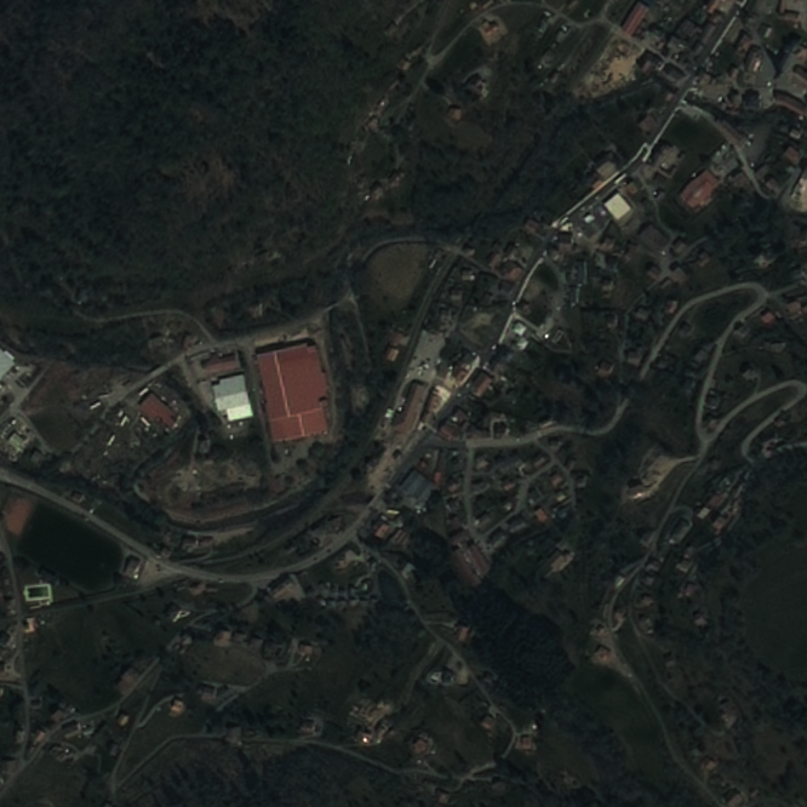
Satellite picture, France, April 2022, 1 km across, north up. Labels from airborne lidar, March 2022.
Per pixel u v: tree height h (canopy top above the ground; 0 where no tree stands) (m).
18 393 0
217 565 0
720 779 7
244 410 0
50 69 23
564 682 25
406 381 0
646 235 0
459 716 0
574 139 20
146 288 19
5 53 23
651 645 0
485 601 21
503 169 13
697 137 0
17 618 0
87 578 0
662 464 0
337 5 9
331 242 16
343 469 8
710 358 0
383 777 15
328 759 9
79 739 0
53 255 13
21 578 0
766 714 13
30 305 18
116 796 0
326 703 8
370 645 22
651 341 7
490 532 0
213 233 16
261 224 10
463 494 0
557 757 0
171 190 14
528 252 0
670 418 0
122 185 18
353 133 0
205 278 14
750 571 19
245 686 0
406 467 0
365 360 11
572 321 0
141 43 14
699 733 18
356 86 12
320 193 13
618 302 0
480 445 0
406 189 0
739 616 12
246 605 0
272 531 7
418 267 0
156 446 11
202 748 0
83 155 14
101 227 20
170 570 0
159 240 17
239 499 8
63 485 11
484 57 13
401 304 0
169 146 12
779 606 0
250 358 0
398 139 13
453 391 0
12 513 0
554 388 0
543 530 7
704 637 8
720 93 0
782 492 18
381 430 0
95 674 0
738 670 16
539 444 0
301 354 0
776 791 11
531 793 16
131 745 0
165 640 0
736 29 0
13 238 12
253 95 18
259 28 15
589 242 0
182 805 23
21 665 0
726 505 0
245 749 0
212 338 0
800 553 0
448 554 17
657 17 0
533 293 0
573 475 5
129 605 8
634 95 0
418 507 0
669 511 0
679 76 0
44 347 15
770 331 7
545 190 28
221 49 21
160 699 0
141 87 11
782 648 0
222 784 18
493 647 23
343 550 0
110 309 16
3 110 19
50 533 0
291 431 0
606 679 0
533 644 24
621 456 21
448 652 0
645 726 0
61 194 16
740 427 0
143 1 16
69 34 15
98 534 0
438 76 0
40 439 0
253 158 10
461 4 0
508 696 15
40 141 19
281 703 0
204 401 0
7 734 0
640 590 6
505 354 0
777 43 0
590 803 24
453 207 20
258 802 25
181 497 0
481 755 0
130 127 20
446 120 0
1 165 22
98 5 20
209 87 11
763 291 0
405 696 0
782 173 7
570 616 17
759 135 0
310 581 0
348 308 0
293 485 10
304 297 12
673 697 0
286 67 9
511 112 11
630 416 0
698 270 0
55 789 0
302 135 23
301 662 0
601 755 21
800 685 9
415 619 11
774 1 0
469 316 0
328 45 21
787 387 0
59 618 0
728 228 25
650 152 0
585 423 29
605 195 0
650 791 18
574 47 0
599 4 0
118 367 15
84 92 18
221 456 8
